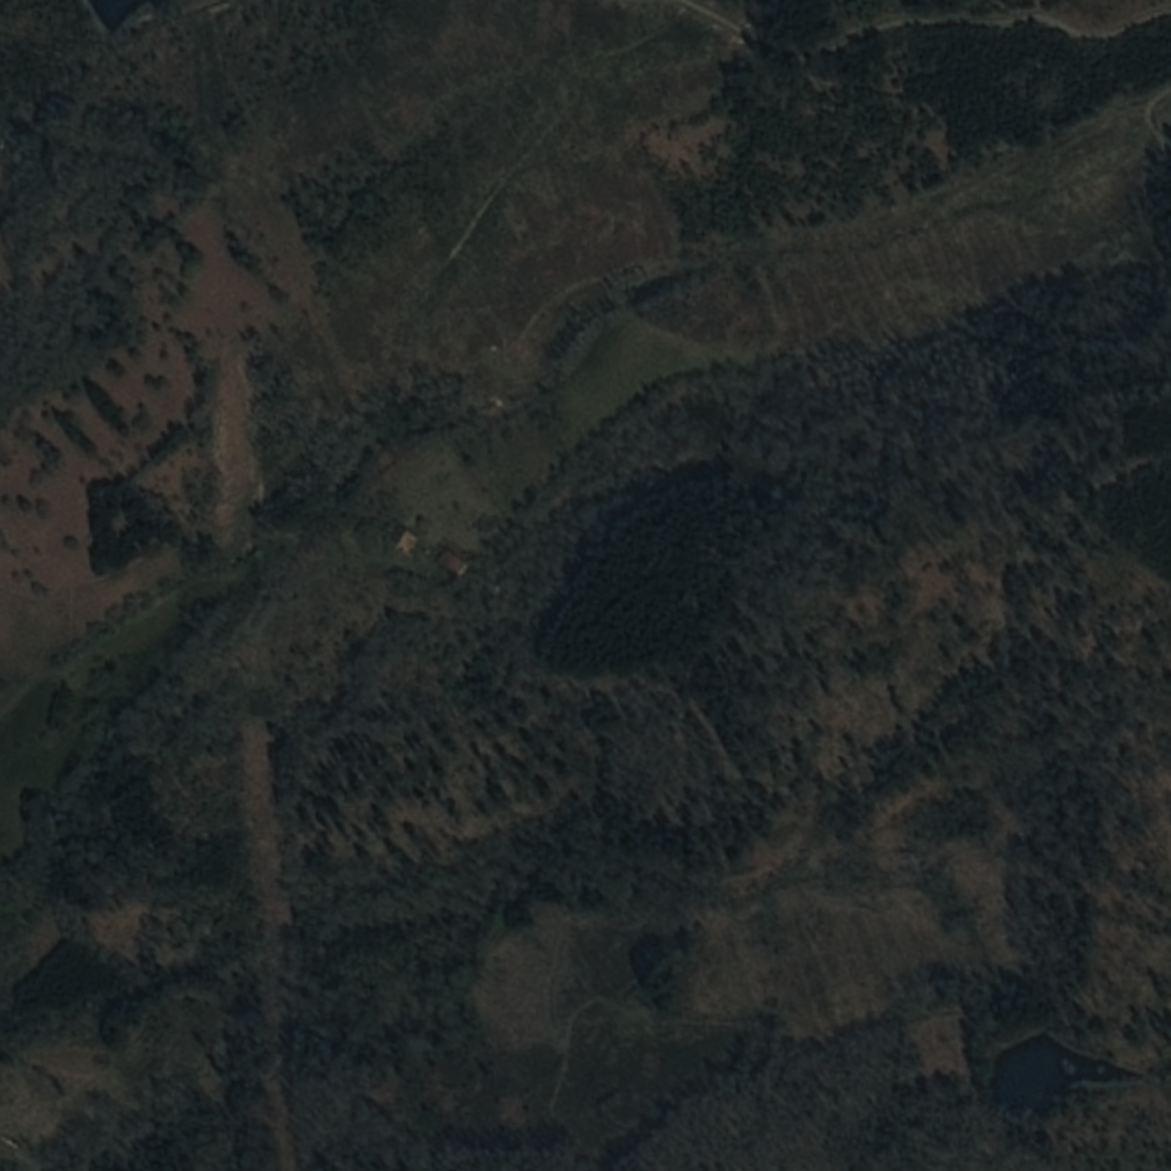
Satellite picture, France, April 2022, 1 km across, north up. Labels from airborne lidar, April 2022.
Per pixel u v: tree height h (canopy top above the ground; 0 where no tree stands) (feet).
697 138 0
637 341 0
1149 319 49
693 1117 63
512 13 0
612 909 69
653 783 88
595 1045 0
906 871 0
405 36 0
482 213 0
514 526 19
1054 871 73
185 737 86
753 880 0
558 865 71
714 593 97
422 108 0
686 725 91
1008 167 0
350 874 74
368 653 65
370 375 0
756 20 70
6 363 36
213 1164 76
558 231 0
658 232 0
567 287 0
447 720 53
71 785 70
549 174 0
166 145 47
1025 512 82
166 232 56
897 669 93
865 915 0
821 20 96
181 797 32
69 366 0
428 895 89
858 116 28
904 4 42
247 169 0
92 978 46
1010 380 73
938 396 52
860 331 0
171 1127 78
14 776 0
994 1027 81
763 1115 78
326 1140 76
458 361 0
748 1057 58
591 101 0
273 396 71
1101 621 59
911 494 69
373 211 54
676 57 0
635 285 69
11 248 23
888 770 97
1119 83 38
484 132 0
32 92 78
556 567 59
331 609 0
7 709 0
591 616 105
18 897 103
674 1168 77
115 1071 0
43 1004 52
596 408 0
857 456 23
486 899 70
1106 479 65
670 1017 81
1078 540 69
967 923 70
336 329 0
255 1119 86
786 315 0
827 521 27
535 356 0
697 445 44
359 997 47
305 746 78
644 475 35
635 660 94
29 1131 0
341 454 63
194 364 34
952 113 40
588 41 0
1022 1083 0
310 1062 62
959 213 0
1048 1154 83
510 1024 0
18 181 47
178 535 67
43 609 0
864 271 0
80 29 18
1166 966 0
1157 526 30
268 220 0
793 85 51
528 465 0
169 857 49
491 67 0
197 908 87
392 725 72
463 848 78
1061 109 45
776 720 39
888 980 0
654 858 74
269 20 21
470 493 0
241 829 34
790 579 56
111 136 35
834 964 0
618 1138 0
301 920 57
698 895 77
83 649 59
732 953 0
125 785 24
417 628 26
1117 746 86
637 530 91
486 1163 93
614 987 0
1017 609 76
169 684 62
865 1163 49
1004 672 79
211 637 93
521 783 74
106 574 63
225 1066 0
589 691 84
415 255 0
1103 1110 0
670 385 37
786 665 69
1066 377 85
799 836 0
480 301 0
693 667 85
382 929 83
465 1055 23
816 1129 82
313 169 0
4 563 0
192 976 28
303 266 0
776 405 59
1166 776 62
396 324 0
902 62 45
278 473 0
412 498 0
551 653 94
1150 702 82
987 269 0
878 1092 73
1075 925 96
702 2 0
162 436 0
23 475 0
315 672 36
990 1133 70
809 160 44
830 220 67
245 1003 23
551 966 0
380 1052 32
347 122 0
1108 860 87
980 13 21
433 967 41
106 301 59
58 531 0
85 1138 85
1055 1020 85
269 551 59
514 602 29
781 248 0
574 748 111
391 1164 85
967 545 0
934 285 0
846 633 63
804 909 0
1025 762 70
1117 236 0
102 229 29
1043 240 0
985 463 76
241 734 76
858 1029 0
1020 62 35
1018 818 89
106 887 94
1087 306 101
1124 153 0
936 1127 67
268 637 0
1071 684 60
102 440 0
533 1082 0
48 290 30
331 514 30
